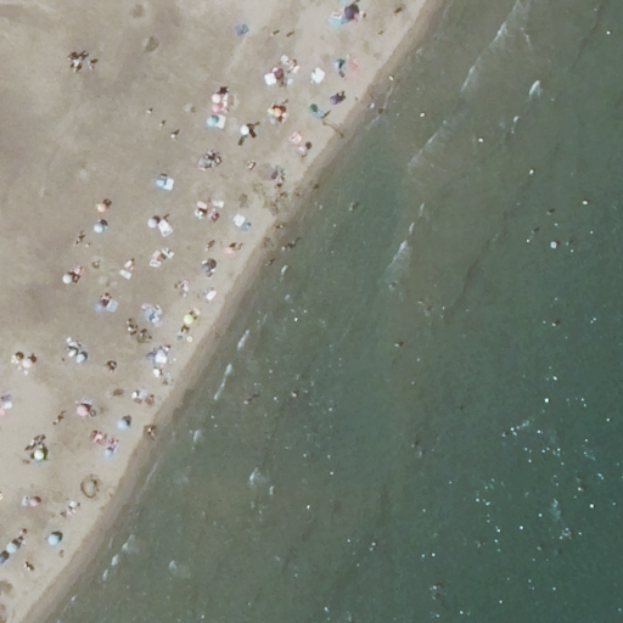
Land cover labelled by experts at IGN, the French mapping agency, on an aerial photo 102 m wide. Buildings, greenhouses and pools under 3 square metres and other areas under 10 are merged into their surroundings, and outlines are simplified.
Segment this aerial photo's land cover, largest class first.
<instances>
[{"label":"water","instance_id":"1","mask_svg":"<svg viewBox=\"0 0 623 623\"><path fill-rule=\"evenodd\" d=\"M329 158L316 173V180L312 183L307 200L294 209L292 219L280 221L282 236H275V251L260 258V265L251 275L241 297L234 304L221 307L214 329L207 333V338L212 341V353L207 355L195 382L183 392L180 404L165 421L148 423L144 428V436L131 450L127 470L117 482L112 501L100 511V518L90 531L97 538L95 552L75 569V579L56 599L54 616L44 613L39 623H623V0H438L428 15L423 32L402 51L397 63L387 61V66H382L375 73V80L365 90L363 100L346 117L338 131L329 139Z\"/></svg>","mask_w":623,"mask_h":623},{"label":"bare soil","instance_id":"2","mask_svg":"<svg viewBox=\"0 0 623 623\"><path fill-rule=\"evenodd\" d=\"M438 0H0V623H39L44 613L54 616L56 599L75 579V569L95 552L97 538L90 531L100 518V511L112 501L117 482L127 470L131 450L144 436V428L148 423L165 421L180 404L183 392L195 382L207 355L212 353V341L207 338V333L214 329L221 307L234 304L241 297L251 275L260 265V258L275 251V236H282L280 221L292 219L294 209L307 200L312 183L316 180V173L329 158V139L338 131L346 117L363 100L365 90L375 80V73L382 66H387V61L397 63L402 51L423 32L428 15Z\"/></svg>","mask_w":623,"mask_h":623}]
</instances>
